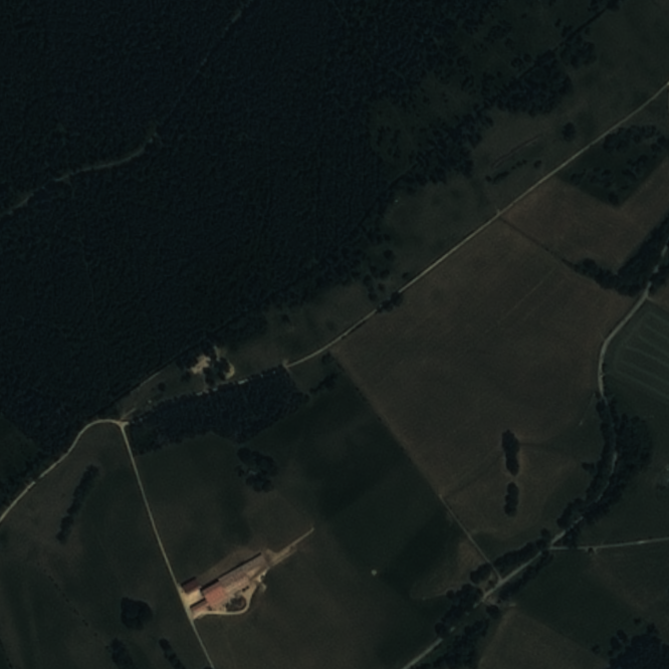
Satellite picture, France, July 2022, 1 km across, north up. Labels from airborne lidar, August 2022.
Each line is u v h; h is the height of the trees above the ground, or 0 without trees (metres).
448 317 0
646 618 0
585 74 0
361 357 0
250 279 7
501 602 6
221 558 0
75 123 18
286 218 14
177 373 0
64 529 12
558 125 0
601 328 0
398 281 0
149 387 0
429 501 0
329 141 15
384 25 18
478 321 0
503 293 0
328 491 0
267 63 16
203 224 13
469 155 19
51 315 13
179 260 11
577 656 0
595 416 0
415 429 0
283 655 0
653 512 0
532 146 0
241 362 0
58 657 0
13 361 15
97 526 0
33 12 12
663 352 0
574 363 0
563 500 0
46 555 0
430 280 0
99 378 11
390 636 0
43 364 13
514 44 5
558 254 0
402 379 0
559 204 0
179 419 19
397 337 0
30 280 13
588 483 0
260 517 0
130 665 20
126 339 9
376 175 11
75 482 0
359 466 0
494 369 0
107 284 6
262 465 20
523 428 0
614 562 0
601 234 0
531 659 0
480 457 0
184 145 13
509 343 0
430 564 0
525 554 15
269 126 20
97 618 0
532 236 0
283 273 12
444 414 0
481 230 0
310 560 0
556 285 0
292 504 0
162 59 24
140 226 12
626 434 20
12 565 0
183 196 18
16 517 0
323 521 0
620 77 0
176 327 11
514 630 0
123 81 22
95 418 8
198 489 0
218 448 0
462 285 0
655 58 0
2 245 18
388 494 0
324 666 0
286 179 13
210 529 0
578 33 8
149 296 13
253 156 12
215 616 0
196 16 17
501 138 0
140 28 16
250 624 0
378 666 0
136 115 22
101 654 0
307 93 15
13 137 12
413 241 0
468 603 17
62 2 18
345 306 0
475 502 0
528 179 0
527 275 0
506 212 0
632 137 7
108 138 10
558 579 0
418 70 15
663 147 7
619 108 0
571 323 0
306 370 0
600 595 0
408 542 0
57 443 25
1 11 14
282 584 0
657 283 16
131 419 0
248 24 19
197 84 15
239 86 20
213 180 11
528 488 0
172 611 0
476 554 0
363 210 14
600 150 0
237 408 19
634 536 0
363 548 0
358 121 18
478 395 0
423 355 0
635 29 0
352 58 18
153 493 0
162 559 0
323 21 17
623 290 18
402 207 0
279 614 0
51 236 15
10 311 13
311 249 13
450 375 0
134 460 0
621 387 0
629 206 0
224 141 16
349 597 0
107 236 13
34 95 9
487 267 0
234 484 0
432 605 0
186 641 0
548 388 0
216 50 15
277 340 0
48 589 0
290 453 0
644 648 23
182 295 14
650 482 0
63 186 16
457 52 8
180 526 0
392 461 0
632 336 0
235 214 13
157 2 13
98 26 17
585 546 0
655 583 0
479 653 12
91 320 10
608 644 0
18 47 15
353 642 0
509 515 10
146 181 8
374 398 0
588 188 0
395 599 0
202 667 0
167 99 22
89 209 13
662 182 0
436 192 0
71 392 15
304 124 18
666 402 0
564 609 0
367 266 0
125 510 0
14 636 0
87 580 0
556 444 0
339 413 0
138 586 0
